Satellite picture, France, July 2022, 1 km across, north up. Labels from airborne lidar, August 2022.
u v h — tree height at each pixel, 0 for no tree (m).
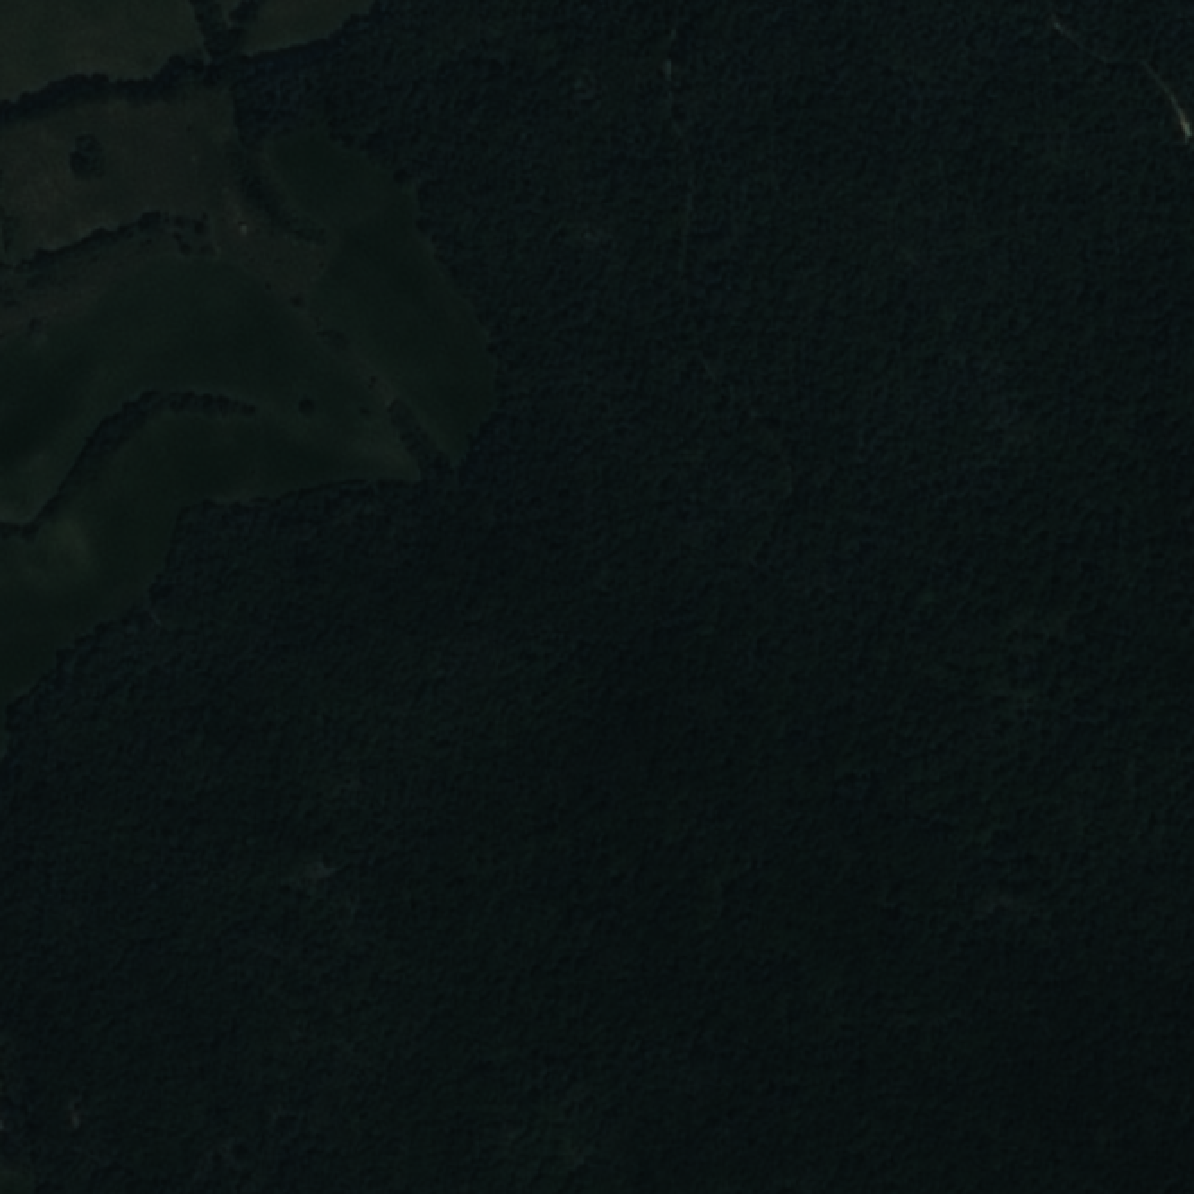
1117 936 15
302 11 0
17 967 14
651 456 21
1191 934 15
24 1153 6
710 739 18
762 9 21
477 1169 14
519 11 13
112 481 0
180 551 7
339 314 0
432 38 12
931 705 13
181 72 22
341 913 9
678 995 14
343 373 0
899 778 8
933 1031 10
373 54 17
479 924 12
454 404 0
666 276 19
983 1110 18
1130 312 21
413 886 14
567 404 19
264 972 15
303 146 0
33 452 0
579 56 15
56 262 8
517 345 15
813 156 18
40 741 8
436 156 21
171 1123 12
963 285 12
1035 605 15
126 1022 16
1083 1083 18
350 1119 15
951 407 15
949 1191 17
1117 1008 18
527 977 13
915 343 17
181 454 0
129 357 0
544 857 9
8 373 0
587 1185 13
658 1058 11
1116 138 6
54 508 14
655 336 12
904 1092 15
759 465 15
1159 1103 12
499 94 18
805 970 15
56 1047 16
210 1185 16
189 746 17
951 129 14
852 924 17
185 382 0
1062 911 10
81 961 12
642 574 16
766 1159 18
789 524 16
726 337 15
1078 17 21
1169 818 13
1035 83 17
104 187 0
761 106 18
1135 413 13
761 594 17
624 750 21
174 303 0
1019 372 11
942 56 12
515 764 15
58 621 0
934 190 13
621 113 11
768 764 13
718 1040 17
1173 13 13
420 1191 11
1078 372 19
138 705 11
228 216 0
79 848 11
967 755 7
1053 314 9
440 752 10
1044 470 16
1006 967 13
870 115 16
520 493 17
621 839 15
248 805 18
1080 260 11
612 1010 16
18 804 21
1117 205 15
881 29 13
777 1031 16
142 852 17
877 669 16
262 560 14
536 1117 11
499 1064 11
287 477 0
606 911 19
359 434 0
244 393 0
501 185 15
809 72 17
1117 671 14
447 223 14
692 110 16
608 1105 9
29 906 14
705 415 18
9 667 0
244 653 17
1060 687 17
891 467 12
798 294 9
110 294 0
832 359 13
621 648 9
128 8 0
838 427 15
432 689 16
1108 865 10
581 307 25
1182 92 14
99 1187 18
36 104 21
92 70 0
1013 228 10
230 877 7
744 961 16
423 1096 14
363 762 7
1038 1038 18
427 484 17
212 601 15
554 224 11
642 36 13
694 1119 16
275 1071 15
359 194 0
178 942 16
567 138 17
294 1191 17
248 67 18
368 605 14
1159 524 18
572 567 17
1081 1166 15
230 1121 16
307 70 22
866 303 11
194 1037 16
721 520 19
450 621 20
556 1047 15
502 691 8
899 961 15
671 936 16
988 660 6
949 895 10
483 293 17
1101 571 13
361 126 18
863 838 17
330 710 13
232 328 0
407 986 8
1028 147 9
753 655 14
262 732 14
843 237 10
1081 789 7
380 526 13
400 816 9
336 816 9
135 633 10
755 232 11
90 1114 6
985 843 9
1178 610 8
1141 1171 17
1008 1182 16
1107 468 14
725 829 11
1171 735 14
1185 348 18
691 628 15
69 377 0
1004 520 17
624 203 11
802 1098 16
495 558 19
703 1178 18
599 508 17
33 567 0
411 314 0
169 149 0
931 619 14
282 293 0
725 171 15
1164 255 18
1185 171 14
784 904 14
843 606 17
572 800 13
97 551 0
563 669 16
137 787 12
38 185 0
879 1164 11
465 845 13
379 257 0
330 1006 7
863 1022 15
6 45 0
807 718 17
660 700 16
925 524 18
